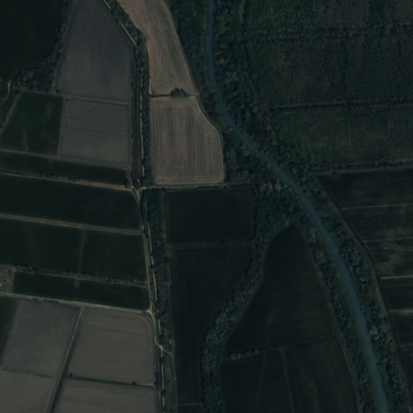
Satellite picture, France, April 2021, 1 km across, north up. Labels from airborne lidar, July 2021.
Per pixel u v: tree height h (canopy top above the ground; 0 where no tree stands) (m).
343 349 0
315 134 9
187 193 0
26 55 0
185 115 0
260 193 16
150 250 0
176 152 0
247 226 0
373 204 0
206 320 0
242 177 26
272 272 0
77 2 0
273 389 0
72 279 0
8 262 0
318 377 0
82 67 0
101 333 0
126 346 0
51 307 0
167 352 0
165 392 12
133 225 0
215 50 12
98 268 0
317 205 7
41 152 0
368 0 19
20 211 0
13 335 0
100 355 0
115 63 0
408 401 14
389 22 16
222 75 11
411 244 0
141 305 0
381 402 0
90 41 0
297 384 0
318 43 19
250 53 24
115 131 0
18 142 0
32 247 0
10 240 0
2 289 0
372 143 0
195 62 10
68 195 0
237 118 18
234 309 15
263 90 24
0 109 14
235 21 21
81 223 0
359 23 21
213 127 0
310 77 17
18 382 0
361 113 19
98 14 0
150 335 0
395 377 21
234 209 0
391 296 0
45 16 0
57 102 0
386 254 0
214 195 0
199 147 0
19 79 12
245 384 0
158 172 0
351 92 21
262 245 7
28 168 0
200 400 0
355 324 10
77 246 0
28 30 0
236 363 0
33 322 0
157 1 0
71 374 8
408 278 0
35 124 0
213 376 18
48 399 0
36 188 0
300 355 0
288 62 21
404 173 0
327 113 22
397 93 23
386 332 17
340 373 0
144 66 16
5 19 0
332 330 0
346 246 16
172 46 0
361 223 0
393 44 25
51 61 14
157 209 16
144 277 0
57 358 0
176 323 0
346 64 23
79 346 0
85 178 0
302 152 15
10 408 0
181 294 0
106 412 0
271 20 15
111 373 0
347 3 22
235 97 8
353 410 0
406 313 0
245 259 0
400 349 0
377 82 23
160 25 0
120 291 0
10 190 0
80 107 0
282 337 0
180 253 0
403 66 26
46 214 0
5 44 0
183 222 0
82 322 0
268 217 23
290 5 10
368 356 0
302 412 0
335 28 19
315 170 18
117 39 0
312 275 0
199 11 19
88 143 0
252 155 13
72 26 0
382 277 0
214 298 0
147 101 10
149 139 11
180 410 0
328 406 0
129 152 0
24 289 0
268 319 0
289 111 13
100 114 0
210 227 0
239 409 0
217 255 0
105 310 0
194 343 0
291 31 15
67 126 0
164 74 0
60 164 0
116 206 0
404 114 24
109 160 0
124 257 0
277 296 0
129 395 0
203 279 0
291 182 0
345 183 0
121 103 0
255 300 0
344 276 0
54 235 0
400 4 19
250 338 0
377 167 7
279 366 0
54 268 0
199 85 6
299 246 0
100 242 0
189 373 0
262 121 17
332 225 13
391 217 0
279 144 12
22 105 0
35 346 0
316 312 0
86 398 0
